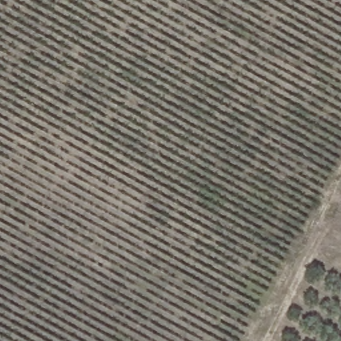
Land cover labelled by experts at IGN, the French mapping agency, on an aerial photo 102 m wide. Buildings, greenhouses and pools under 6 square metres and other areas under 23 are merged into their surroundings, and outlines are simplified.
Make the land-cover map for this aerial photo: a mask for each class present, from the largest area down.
<instances>
[{"label":"vineyard","instance_id":"1","mask_svg":"<svg viewBox=\"0 0 341 341\"><path fill-rule=\"evenodd\" d=\"M341 177V0H0V341H241L245 334L244 330L221 320L217 317L218 314H224L244 326L256 321L260 306L268 305L272 301V297L266 292L276 285L274 280L277 273L276 270L270 269V265L281 268L282 262H296L298 258L305 256L304 248L308 244V237L305 236L302 226L308 217L312 220L320 218L318 206L321 205V193L328 188L330 181L340 180Z\"/></svg>","mask_w":341,"mask_h":341},{"label":"plowed land","instance_id":"2","mask_svg":"<svg viewBox=\"0 0 341 341\"><path fill-rule=\"evenodd\" d=\"M321 205L318 206L320 218L312 220L308 217L302 226L305 236L308 237V244L304 248L305 256L298 258L296 262H282L281 268L270 265V269L276 270L277 273L274 280L276 285L266 292L272 297V301L268 305L260 306L256 321L244 326L224 314H218L217 317L221 320L244 330L245 334L241 341H281L282 329L285 326H292L300 337L314 338L316 341H321V334L305 330L297 321L286 317L284 324L278 321L282 301L289 292L298 266L305 269L310 262L318 260L324 262L326 269L334 268L341 272V177L340 180L330 181L328 188L321 193ZM308 288H314L318 290V298H324L332 296V290L325 289L324 280L308 282L304 278L292 304L300 305L305 313L316 310L324 318L328 313L320 305L306 304L304 292Z\"/></svg>","mask_w":341,"mask_h":341},{"label":"deciduous trees","instance_id":"3","mask_svg":"<svg viewBox=\"0 0 341 341\"><path fill-rule=\"evenodd\" d=\"M304 278L308 282L324 280L325 289L332 290V296L324 298H318V290L314 288H308L304 292L306 304L320 305L328 313L324 318L316 310L305 313L300 305L292 304L286 312V317L297 321L305 330L321 334V341H341V272L334 268L326 269L324 262L318 260L310 262L305 269ZM281 341H316L314 338L300 337L292 326H285L282 329Z\"/></svg>","mask_w":341,"mask_h":341},{"label":"pervious surface","instance_id":"4","mask_svg":"<svg viewBox=\"0 0 341 341\"><path fill-rule=\"evenodd\" d=\"M305 269L298 266L289 292L282 301L278 321L284 324L286 317V312L292 304L304 278Z\"/></svg>","mask_w":341,"mask_h":341}]
</instances>
